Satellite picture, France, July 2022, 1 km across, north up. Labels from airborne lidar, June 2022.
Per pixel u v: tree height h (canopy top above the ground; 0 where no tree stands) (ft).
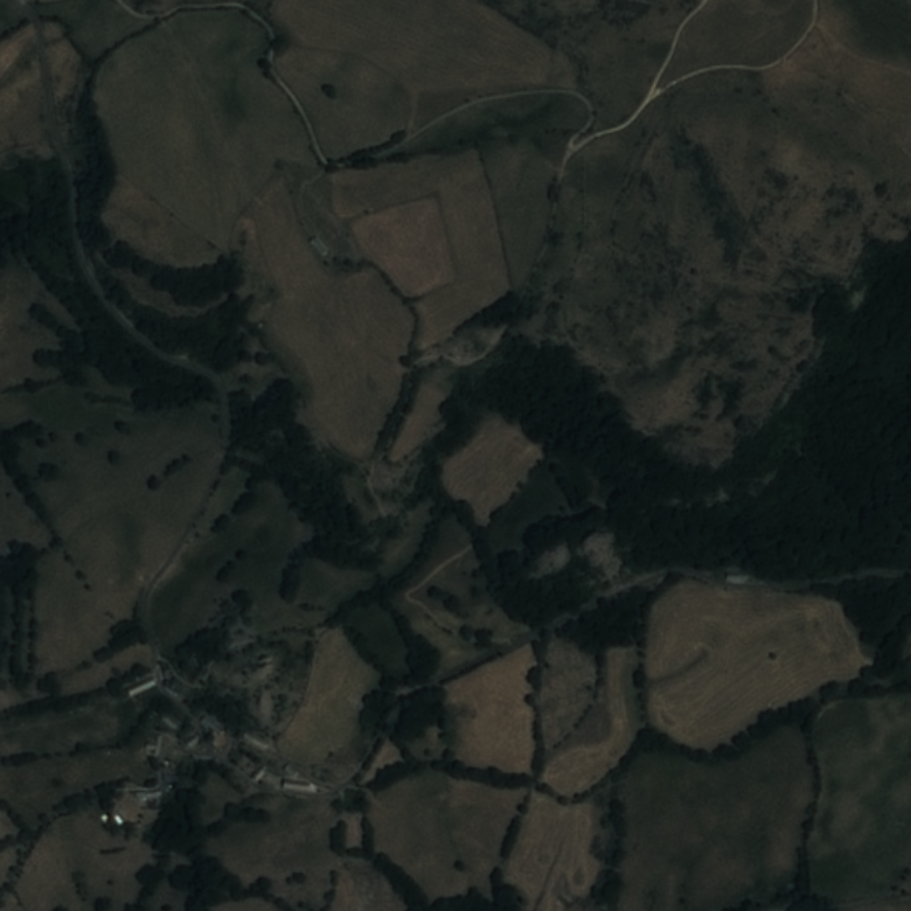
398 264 0
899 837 0
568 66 0
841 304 44
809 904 77
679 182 0
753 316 0
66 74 0
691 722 0
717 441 0
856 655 0
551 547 73
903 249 47
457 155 0
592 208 0
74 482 0
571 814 0
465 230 0
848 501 67
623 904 0
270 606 0
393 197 0
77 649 0
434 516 45
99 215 28
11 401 0
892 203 0
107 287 43
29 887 0
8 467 60
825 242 0
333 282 0
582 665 0
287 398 42
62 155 0
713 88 0
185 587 0
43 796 0
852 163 0
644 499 49
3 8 0
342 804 30
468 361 0
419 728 69
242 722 35
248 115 0
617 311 0
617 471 30
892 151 0
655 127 0
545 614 59
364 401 0
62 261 0
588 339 0
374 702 56
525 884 0
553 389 45
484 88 0
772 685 0
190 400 35
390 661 0
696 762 37
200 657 21
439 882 0
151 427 0
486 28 0
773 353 31
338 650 0
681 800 0
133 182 0
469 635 37
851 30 0
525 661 0
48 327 41
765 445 67
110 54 26
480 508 0
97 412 0
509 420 29
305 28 0
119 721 0
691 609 0
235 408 25
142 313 32
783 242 0
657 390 0
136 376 28
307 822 0
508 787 51
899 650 35
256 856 0
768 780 0
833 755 0
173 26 0
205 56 0
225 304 21
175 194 0
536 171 0
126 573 0
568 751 0
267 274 0
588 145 0
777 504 24
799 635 0
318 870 0
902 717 0
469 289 0
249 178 0
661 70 0
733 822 0
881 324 80
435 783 0
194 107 0
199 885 49
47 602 0
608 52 0
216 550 0
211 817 0
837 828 0
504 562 60
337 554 36
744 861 0
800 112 0
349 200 0
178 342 27
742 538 68
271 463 29
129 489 0
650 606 36
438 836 0
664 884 0
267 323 0
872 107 0
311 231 0
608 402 44
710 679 0
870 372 27
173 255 0
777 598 0
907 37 0
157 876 75
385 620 0
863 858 0
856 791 0
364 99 0
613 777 29
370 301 0
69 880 0
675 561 39
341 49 0
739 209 0
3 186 20
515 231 0
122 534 0
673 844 0
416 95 0
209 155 0
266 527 0
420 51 0
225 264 53
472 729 0
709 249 0
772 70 0
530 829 0
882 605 61
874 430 62
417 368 20
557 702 0
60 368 59
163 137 0
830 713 0
